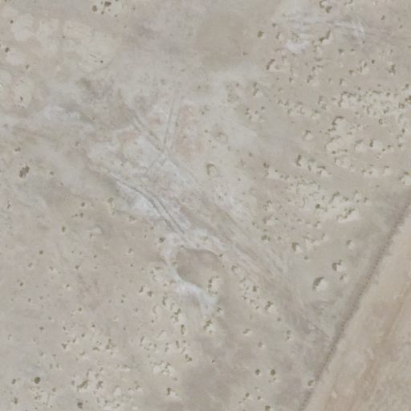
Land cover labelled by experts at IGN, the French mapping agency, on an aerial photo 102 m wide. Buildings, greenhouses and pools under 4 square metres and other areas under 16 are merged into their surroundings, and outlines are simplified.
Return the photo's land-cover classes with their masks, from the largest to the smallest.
<instances>
[{"label":"bare soil","instance_id":"1","mask_svg":"<svg viewBox=\"0 0 411 411\"><path fill-rule=\"evenodd\" d=\"M0 411H411V0H0Z\"/></svg>","mask_w":411,"mask_h":411}]
</instances>
